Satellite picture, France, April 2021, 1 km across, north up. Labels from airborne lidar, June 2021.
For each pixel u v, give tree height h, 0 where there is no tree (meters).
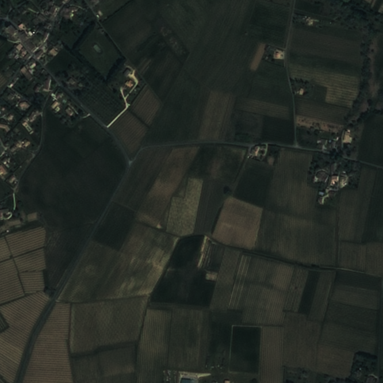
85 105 0
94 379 0
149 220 0
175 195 0
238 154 0
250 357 0
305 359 0
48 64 0
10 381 0
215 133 0
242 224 0
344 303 0
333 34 0
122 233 0
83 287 0
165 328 0
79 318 0
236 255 0
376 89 0
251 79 0
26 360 0
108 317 0
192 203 0
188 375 0
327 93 0
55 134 0
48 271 0
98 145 0
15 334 0
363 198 0
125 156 0
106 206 0
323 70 0
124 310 0
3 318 0
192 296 0
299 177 0
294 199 0
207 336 0
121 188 0
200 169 0
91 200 0
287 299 0
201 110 0
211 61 0
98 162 0
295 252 0
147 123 0
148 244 0
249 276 0
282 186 0
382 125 0
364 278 0
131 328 0
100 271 0
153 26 0
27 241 0
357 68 0
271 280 0
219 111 0
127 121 0
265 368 0
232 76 0
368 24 13
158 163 0
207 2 0
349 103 0
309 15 0
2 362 0
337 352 0
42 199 0
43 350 0
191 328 0
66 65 0
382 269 0
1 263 0
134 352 0
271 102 0
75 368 0
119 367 0
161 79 0
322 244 0
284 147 0
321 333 0
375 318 0
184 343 0
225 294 0
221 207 0
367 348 0
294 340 0
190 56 0
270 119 0
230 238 0
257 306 0
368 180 0
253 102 0
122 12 0
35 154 0
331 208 0
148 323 0
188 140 0
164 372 0
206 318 0
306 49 0
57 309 0
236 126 0
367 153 0
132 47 0
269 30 0
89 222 0
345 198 0
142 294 0
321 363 0
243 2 0
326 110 0
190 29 0
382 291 0
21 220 10
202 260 0
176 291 0
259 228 0
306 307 0
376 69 0
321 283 0
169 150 0
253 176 0
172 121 0
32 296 0
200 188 0
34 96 11
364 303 0
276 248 0
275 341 0
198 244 0
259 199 0
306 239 0
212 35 0
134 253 0
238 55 0
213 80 0
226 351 0
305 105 0
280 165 0
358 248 0
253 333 0
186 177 0
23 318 0
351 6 16
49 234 0
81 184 0
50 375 0
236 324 0
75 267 0
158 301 0
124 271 0
